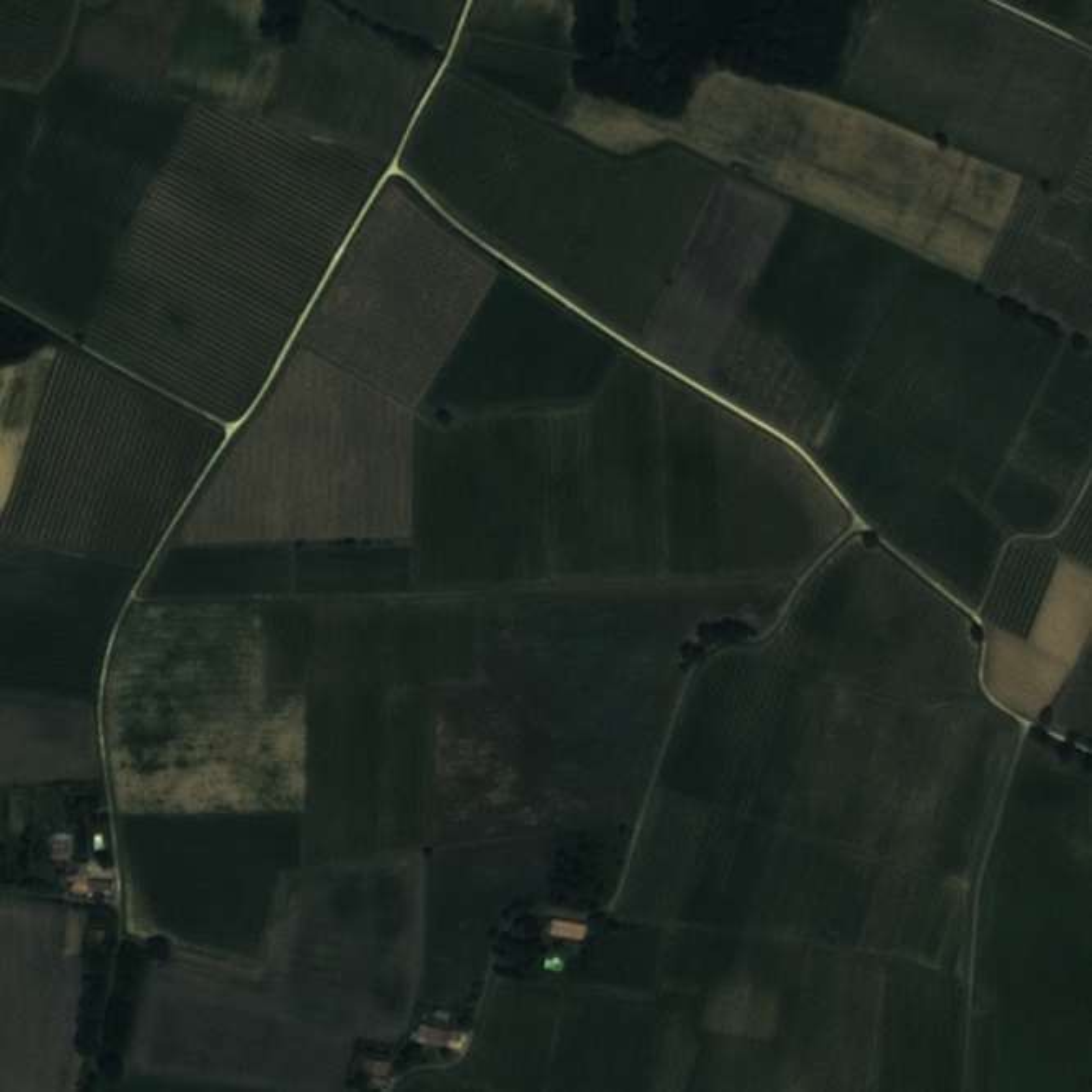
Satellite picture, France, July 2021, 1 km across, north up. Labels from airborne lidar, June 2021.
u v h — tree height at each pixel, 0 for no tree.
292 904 0
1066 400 0
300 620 0
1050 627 0
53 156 0
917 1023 0
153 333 0
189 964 0
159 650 0
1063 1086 0
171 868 0
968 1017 0
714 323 0
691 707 0
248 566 0
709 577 0
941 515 0
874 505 0
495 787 0
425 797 0
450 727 0
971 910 0
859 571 0
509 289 0
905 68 0
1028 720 0
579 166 0
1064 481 0
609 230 0
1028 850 0
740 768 0
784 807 0
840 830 0
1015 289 0
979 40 0
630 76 26
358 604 0
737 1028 0
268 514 0
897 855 0
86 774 0
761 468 0
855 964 0
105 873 0
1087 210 0
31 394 0
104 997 10
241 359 0
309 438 0
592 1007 0
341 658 0
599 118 0
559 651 0
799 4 22
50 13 0
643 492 0
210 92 0
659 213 0
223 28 0
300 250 0
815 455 0
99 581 0
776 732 0
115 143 0
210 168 0
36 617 0
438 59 10
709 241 0
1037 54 0
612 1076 0
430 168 0
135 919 0
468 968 0
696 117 0
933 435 0
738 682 0
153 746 0
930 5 0
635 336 0
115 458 0
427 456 0
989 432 0
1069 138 0
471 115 0
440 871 0
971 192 0
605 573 0
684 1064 0
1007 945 0
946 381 0
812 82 17
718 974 0
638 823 0
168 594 0
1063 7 0
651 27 22
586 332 0
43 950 0
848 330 0
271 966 0
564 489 0
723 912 0
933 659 0
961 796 0
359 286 0
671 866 0
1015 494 0
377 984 0
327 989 0
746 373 0
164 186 0
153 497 0
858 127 0
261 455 0
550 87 0
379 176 0
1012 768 0
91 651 0
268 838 0
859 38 0
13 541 0
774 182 0
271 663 0
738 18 13
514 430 0
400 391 0
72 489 0
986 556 0
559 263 0
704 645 8
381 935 0
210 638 0
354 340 0
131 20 0
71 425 0
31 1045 0
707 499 0
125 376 0
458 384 0
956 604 0
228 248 0
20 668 0
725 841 0
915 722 0
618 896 0
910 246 0
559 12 0
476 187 0
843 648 0
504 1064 0
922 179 0
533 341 0
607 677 0
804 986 0
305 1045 0
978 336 0
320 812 0
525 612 0
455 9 0
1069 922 0
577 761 0
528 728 0
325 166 0
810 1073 0
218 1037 0
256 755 0
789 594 0
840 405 0
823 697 0
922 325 0
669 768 0
